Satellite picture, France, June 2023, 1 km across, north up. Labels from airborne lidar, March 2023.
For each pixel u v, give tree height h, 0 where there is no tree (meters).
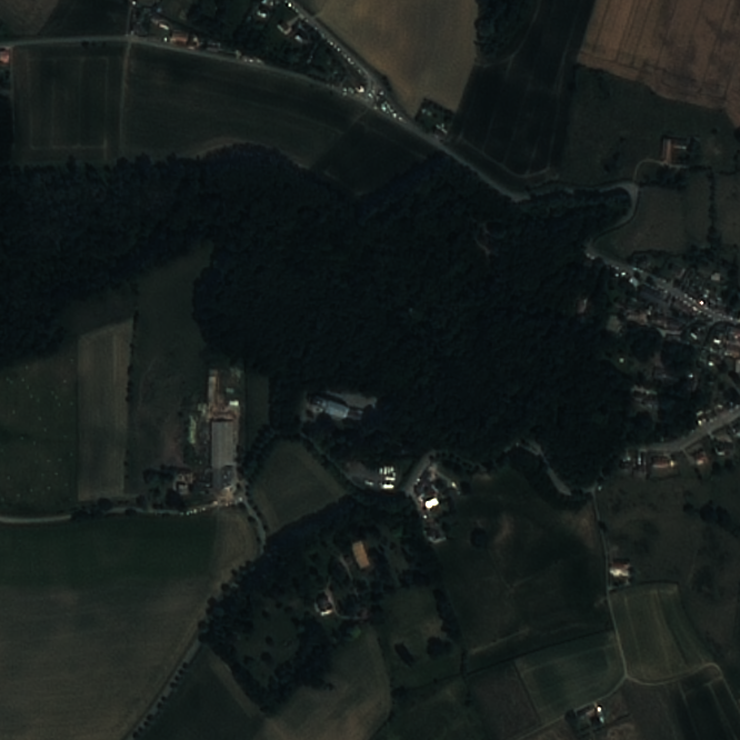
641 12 0
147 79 0
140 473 0
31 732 0
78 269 20
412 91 0
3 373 0
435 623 0
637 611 0
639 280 13
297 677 23
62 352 0
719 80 0
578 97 0
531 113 0
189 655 0
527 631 0
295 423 19
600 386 23
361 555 0
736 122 0
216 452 0
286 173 34
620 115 0
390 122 0
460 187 17
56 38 0
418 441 21
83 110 0
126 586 0
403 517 16
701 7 0
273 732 0
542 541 0
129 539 0
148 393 0
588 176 0
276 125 0
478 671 0
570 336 23
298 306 29
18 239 24
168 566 0
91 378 0
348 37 0
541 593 0
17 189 25
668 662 0
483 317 35
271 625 0
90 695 0
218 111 0
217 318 26
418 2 0
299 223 25
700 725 0
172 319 0
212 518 0
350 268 27
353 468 0
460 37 0
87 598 0
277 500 0
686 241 0
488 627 0
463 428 24
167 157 0
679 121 0
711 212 7
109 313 0
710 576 0
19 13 0
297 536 21
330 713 0
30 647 0
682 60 0
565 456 21
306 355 27
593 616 0
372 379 27
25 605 0
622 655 0
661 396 14
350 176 0
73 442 0
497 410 27
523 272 29
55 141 0
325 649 22
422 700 0
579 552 0
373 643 0
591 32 0
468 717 0
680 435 14
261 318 24
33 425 0
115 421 0
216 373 0
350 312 27
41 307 20
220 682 0
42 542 0
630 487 0
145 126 0
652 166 0
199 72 0
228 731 0
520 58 0
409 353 33
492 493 0
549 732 0
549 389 29
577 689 0
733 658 0
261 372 16
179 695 0
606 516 0
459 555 0
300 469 0
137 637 0
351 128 0
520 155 0
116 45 0
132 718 0
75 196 24
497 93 0
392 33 0
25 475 0
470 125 0
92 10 0
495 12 21
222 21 12
